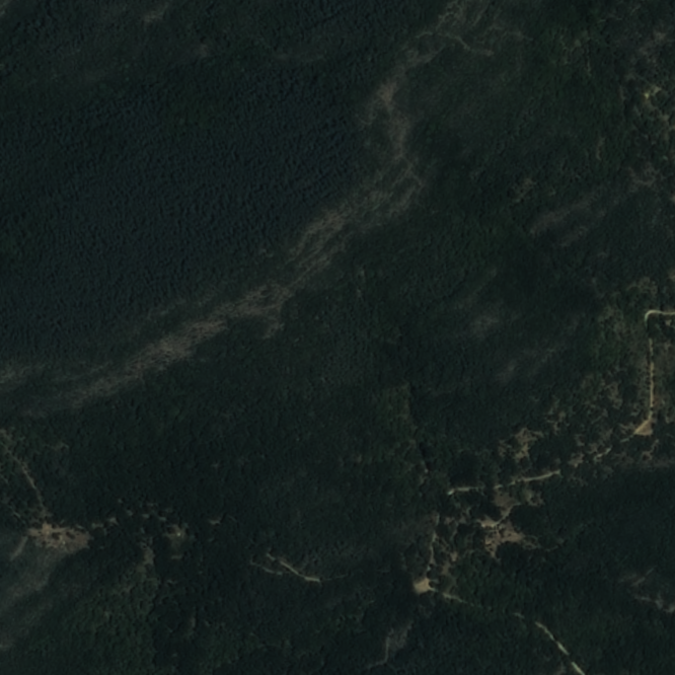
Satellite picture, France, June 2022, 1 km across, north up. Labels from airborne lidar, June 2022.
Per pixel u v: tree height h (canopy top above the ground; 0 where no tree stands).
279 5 8
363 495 8
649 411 10
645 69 10
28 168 12
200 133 18
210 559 18
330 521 14
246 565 12
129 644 11
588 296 10
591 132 7
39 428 9
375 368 7
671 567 8
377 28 12
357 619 14
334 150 14
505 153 10
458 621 11
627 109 11
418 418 14
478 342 6
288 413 13
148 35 9
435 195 7
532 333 6
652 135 10
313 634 14
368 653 12
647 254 8
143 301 11
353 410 8
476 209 16
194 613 18
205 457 16
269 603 8
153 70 9
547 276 9
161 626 20
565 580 14
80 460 10
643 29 6
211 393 8
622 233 9
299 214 15
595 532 12
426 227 5
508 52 6
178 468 20
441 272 14
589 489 10
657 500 8
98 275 15
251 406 13
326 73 7
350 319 18
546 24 12
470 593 10
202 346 9
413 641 6
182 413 11
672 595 6
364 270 13
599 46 11
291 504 8
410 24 9
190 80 8
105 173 17
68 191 12
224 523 15
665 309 18
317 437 9
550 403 14
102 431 16
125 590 8
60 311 14
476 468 8
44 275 14
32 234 9
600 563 7
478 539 13
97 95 12
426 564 6
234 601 10
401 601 12
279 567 9
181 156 16
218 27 13
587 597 9
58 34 16
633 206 6
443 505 13
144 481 23
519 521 8
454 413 11
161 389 10
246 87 10
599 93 9
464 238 14
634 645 11
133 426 15
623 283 14
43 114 15
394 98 0
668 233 8
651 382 8
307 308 9
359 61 11
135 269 17
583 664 13
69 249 14
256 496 6
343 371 15
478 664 13
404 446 10
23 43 8
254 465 15
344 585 14
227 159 15
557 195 6
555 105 7
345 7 13
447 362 12
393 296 14
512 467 13
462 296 10
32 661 11
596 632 10
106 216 14
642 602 14
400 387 7
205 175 15
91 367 6
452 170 10
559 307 12
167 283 16
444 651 10
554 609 16
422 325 7
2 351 14
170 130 16
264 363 10
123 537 12
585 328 11
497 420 14
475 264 12
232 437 17
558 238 9
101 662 16
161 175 16
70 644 8
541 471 13
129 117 10
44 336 15
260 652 14
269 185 16
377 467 12
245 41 10
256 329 6
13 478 10
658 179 6
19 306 14
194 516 21
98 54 8
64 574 14
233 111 18
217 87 5
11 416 7
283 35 8
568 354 12
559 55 11
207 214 13
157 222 14
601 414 11
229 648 11
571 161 11
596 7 13
